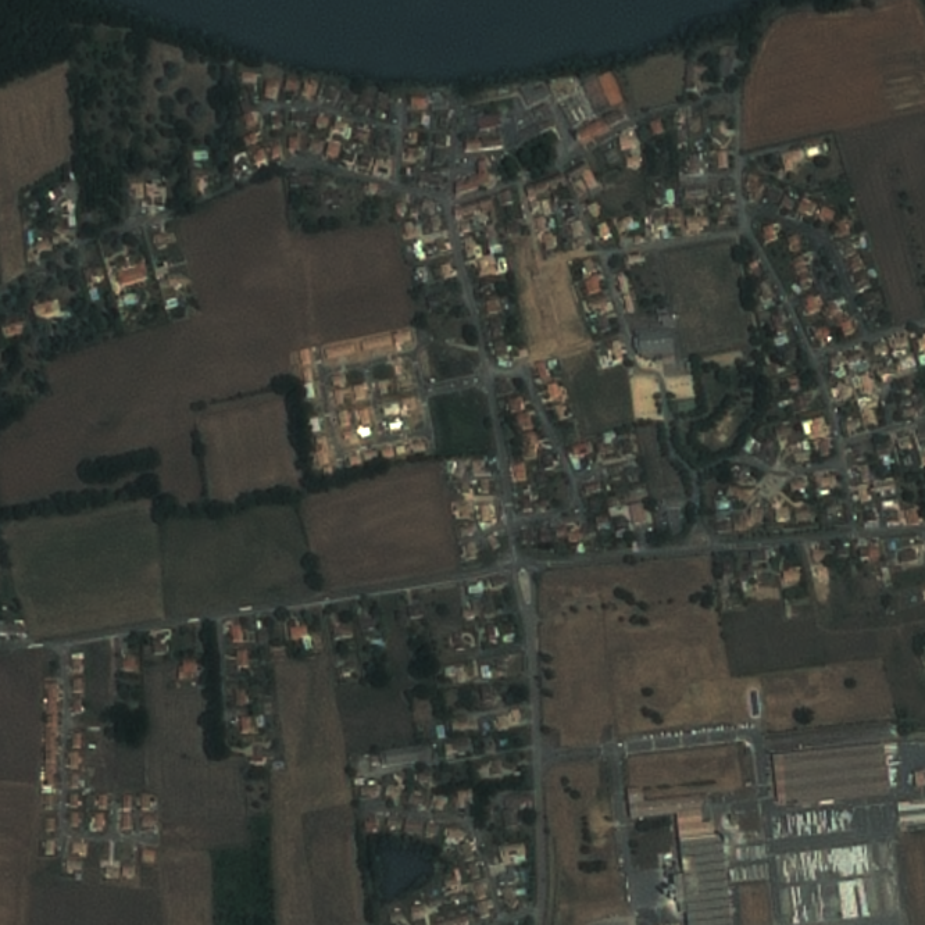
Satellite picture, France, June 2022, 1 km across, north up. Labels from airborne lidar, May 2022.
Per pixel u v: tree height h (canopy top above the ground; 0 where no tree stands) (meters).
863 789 0
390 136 8
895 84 0
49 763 0
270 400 0
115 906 0
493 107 6
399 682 0
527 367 0
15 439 0
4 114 0
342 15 0
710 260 0
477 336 14
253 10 0
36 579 0
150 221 0
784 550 11
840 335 8
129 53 9
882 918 0
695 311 0
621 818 0
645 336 0
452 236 0
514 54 0
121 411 0
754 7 12
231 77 8
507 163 12
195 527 0
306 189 6
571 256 0
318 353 0
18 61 13
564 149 0
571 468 0
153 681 0
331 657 0
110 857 0
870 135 0
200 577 0
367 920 10
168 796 0
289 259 0
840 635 0
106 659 0
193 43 20
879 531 0
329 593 0
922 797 0
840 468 0
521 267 0
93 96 14
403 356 0
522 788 8
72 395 0
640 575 0
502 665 0
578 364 0
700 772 0
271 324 0
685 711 0
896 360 8
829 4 14
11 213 0
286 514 0
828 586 0
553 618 0
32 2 17
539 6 0
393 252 0
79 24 15
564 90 0
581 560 0
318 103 0
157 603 0
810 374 12
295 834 0
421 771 11
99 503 18
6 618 6
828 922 0
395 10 0
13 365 13
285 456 0
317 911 0
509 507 0
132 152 7
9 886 0
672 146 7
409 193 0
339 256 0
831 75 0
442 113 0
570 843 0
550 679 18
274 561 0
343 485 18
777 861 0
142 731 8
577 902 0
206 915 0
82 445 0
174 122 12
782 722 0
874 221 0
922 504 7
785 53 0
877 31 0
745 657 0
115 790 0
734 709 0
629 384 0
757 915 0
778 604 0
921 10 0
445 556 0
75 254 8
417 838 7
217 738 17
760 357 12
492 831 7
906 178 0
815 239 0
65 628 0
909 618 0
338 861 0
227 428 0
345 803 0
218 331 0
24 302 16
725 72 0
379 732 0
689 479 11
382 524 0
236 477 0
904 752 0
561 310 0
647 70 0
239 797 0
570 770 0
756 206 0
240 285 0
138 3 0
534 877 6
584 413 0
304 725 0
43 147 0
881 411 8
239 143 8
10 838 0
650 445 0
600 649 0
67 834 0
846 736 0
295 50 0
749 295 12
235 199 0
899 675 0
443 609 8
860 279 0
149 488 20
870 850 0
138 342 0
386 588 0
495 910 0
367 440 0
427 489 0
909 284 0
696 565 0
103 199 6
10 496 0
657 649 0
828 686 0
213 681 19
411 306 0
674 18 0
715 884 0
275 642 9
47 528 0
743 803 0
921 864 0
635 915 0
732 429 0
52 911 0
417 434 0
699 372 10
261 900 8
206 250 0
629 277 11
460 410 0
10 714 0
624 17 0
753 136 0
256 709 15
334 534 0
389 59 0
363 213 6
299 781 0
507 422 10
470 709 11
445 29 0
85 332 14
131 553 0
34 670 0
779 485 0
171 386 0
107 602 0
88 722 0
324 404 0
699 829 0
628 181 0
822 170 12
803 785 0
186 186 14
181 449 0
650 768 0
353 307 0
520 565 0
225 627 0
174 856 0
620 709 0
